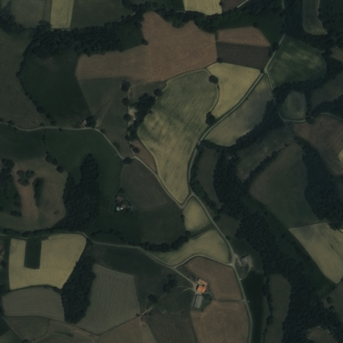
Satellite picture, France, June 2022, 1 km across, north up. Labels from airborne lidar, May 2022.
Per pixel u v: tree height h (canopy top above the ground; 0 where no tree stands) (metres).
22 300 0
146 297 0
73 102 0
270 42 0
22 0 0
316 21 0
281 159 0
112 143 0
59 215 0
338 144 0
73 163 0
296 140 18
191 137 0
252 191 0
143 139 0
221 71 0
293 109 0
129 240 0
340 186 0
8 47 0
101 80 0
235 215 25
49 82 0
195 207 0
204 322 0
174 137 0
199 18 30
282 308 0
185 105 0
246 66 0
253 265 0
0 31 0
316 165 23
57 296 0
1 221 0
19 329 0
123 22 8
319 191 11
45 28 21
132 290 0
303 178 0
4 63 0
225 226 0
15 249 0
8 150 0
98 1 0
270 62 0
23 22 0
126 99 14
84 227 21
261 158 0
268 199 0
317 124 0
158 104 0
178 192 0
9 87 0
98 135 0
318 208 13
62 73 0
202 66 0
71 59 0
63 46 15
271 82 0
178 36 0
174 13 18
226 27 0
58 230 20
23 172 13
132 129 16
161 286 0
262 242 23
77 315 24
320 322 24
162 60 0
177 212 0
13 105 0
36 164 0
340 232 0
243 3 0
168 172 0
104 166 0
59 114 0
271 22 0
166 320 0
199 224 0
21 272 0
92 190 23
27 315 0
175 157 0
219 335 0
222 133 0
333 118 0
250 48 0
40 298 0
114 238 0
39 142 0
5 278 0
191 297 0
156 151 0
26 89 6
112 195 0
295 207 0
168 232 0
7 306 0
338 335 15
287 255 11
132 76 0
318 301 18
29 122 0
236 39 0
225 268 0
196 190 30
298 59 0
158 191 0
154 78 0
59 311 0
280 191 0
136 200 0
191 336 0
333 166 0
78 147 0
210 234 0
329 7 11
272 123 16
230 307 0
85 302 9
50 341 0
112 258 0
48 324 0
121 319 0
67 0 0
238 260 0
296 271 19
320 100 0
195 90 0
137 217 0
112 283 0
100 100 0
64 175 0
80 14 0
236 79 0
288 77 0
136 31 0
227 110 0
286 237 12
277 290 0
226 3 0
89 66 0
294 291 14
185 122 0
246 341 0
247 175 0
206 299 0
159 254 0
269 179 0
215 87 0
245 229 19
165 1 0
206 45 0
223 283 0
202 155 7
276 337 0
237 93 0
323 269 0
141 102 18
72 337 0
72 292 20
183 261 0
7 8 17
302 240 0
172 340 0
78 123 0
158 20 0
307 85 19
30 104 0
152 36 0
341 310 0
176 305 0
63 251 0
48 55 13
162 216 0
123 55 0
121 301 0
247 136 15
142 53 0
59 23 0
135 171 0
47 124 0
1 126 0
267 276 12
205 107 0
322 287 0
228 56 0
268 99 0
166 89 0
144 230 0
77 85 0
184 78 0
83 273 11
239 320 0
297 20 18
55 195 0
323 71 0
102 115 0
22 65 14
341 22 12
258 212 11
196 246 0
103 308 0
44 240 0
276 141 0
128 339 0
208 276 0
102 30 19
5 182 7
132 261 0
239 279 0
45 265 0
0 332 0
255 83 0
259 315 0
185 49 0
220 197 21
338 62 13
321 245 0
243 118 0
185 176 0
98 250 0
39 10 0
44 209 0
